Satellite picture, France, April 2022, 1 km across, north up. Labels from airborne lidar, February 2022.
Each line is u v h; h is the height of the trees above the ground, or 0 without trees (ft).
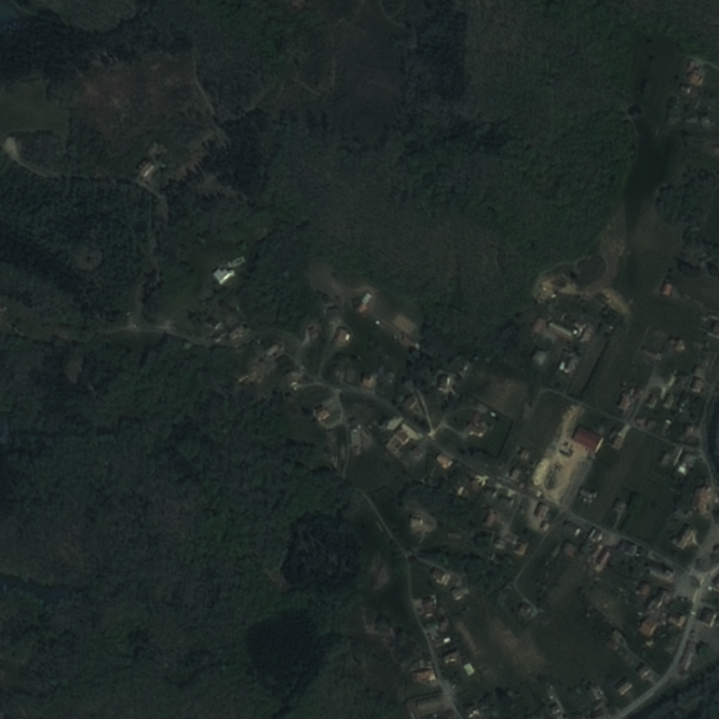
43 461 80
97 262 24
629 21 98
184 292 73
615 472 0
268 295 45
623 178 75
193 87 0
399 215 54
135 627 60
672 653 0
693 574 0
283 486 67
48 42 90
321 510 26
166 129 22
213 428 89
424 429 54
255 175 104
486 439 0
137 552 69
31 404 57
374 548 0
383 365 25
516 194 72
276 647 56
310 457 52
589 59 94
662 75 0
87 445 75
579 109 67
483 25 70
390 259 86
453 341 35
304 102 27
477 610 0
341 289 0
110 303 55
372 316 0
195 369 33
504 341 76
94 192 60
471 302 86
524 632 0
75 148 56
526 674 0
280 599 45
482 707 25
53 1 90
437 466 0
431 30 68
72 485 92
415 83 84
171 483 85
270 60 58
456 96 63
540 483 0
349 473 0
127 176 21
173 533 86
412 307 0
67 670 74
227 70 60
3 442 81
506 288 77
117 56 57
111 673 69
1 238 39
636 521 0
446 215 82
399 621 0
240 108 48
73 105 45
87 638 61
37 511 72
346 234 91
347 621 40
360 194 77
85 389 37
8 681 0
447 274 80
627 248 0
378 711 77
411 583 0
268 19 21
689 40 65
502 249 63
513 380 0
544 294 0
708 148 0
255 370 0
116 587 69
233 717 39
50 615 51
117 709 43
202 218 81
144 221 45
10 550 59
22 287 83
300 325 31
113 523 65
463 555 22
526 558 0
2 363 46
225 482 74
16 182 38
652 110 0
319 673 50
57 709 65
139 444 118
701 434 0
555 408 0
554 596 0
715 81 0
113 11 78
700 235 30
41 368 53
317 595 46
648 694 0
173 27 63
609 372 0
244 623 39
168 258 81
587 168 75
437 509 69
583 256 26
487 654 0
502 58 80
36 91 0
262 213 65
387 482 0
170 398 74
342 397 23
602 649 0
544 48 75
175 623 51
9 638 57
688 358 0
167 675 31
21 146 0
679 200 58
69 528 78
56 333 0
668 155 0
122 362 52
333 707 63
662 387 0
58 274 60
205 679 68
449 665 0
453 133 52
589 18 74
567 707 0
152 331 0
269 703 64
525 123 70
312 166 73
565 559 22
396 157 77
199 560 70
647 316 0
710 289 0
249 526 66
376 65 0
